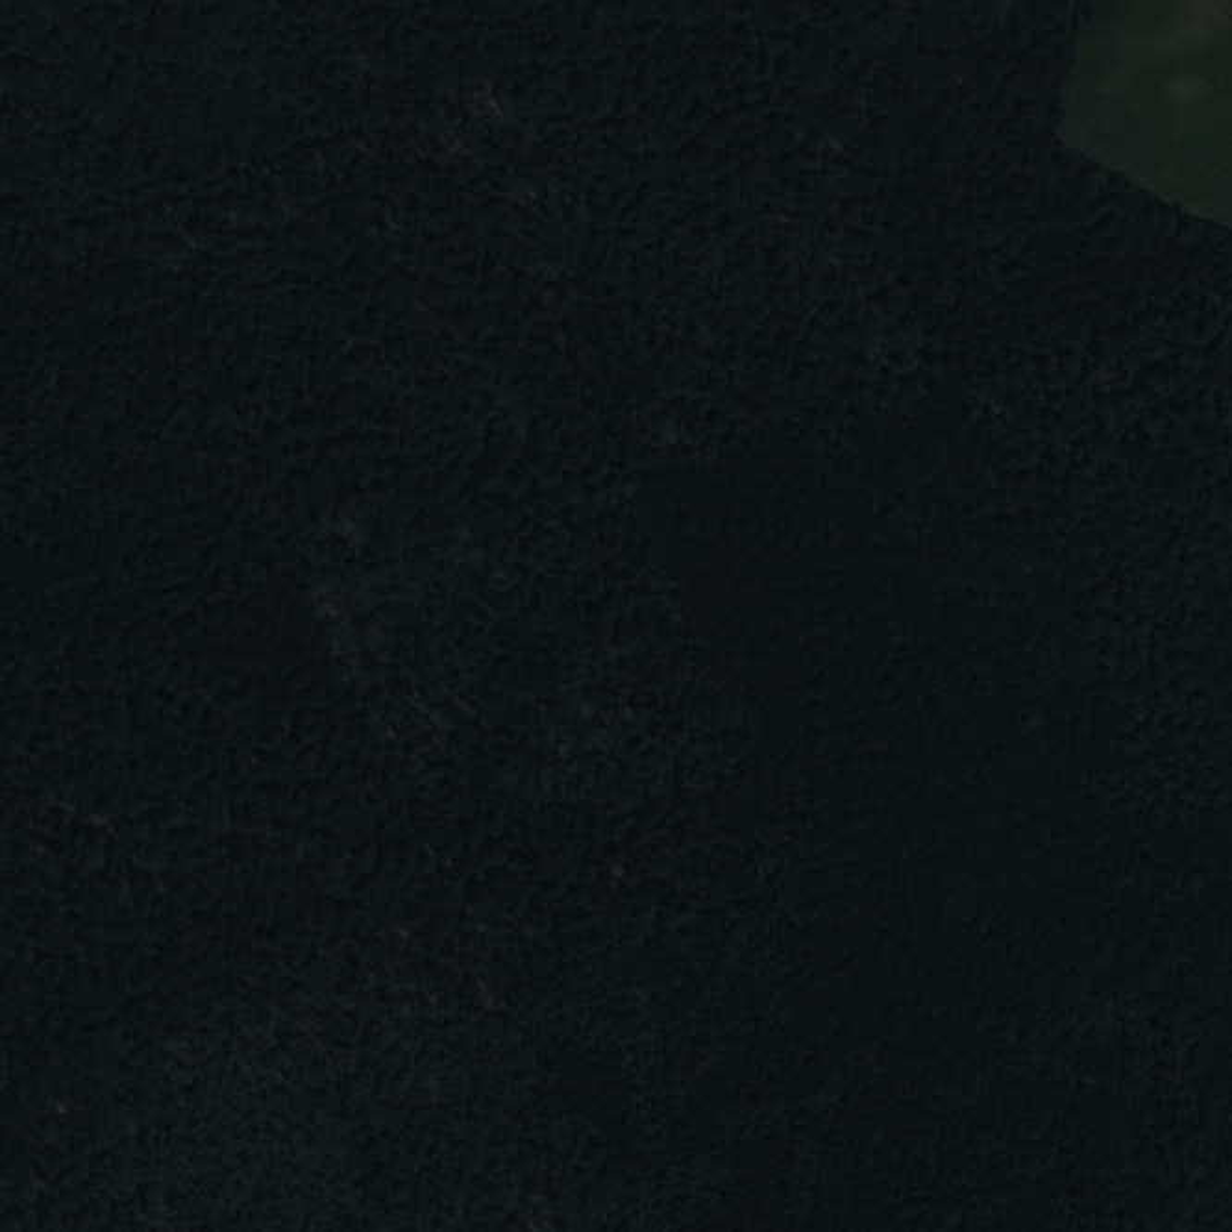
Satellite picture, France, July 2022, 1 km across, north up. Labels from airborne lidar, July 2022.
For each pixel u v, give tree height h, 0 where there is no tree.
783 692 18
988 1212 24
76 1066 24
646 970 21
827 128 27
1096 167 16
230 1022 15
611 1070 24
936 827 23
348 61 23
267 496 31
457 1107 19
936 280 13
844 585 25
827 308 25
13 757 25
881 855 24
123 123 21
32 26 24
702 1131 21
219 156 26
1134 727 22
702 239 24
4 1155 26
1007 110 19
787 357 27
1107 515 24
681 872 28
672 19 22
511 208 28
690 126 20
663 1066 23
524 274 23
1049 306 8
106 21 23
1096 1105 20
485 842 12
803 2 24
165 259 22
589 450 25
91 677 24
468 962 26
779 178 16
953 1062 27
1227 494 27
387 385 20
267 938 23
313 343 23
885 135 24
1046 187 20
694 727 20
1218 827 17
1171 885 25
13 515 27
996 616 25
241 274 19
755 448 20
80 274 17
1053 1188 22
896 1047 26
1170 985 22
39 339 21
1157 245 12
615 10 26
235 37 27
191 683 20
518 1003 26
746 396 24
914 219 20
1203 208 0
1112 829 23
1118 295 10
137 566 25
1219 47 0
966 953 24
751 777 28
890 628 26
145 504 24
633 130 23
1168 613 23
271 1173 26
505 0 26
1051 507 28
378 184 18
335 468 23
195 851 27
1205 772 26
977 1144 20
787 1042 18
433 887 27
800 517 23
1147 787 22
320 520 26
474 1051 19
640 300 21
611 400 13
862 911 22
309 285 25
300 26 21
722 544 22
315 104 22
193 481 25
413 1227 20
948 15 23
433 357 21
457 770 23
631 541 16
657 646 22
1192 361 29
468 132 22
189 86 23
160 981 21
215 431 21
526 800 28
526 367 22
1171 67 0
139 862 10
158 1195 21
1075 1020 21
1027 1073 25
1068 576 26
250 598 26
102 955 23
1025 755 29
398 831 12
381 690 30
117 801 28
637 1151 25
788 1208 21
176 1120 25
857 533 24
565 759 25
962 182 17
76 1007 27
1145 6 0
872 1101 24
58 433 24
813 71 24
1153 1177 17
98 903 26
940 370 21
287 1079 22
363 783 28
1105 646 28
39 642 23
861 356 31
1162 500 22
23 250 26
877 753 24
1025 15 25
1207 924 22
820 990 18
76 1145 21
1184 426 24
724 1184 20
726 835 25
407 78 22
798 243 26
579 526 28
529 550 28
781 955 17
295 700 24
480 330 24
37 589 24
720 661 19
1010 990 29
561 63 29
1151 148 0
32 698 23
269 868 25
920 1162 23
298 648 26
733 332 24
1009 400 29
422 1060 22
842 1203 22
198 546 21
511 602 25
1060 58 28
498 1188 20
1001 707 27
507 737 15
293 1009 22
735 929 19
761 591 21
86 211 11
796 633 20
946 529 27
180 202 20
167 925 19
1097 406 27
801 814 26
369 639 27
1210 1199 20
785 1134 17
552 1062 26
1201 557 18
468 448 22
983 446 22
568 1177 25
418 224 25
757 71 22
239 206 25
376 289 23
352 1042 26
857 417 23
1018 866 29
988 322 11
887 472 24
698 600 24
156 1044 22
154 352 25
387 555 24
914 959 26
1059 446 26
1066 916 26
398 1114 19
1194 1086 16
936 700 27
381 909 28
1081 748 24
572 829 26
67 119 14
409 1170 15
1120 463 9
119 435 24
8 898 26
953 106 20
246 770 25
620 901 25
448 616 6
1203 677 20
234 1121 22
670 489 21
